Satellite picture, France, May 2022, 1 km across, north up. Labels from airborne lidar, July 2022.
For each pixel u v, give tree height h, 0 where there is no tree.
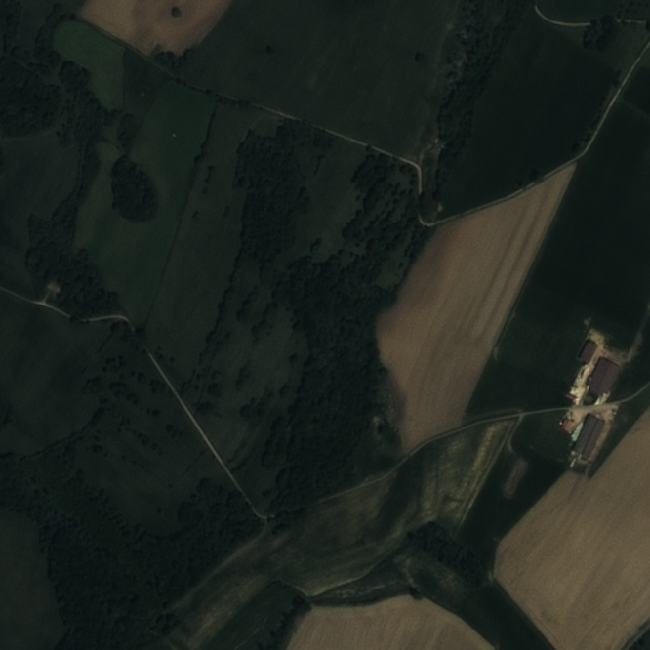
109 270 0
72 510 6
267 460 14
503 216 0
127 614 21
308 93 0
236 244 0
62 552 26
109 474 0
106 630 20
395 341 0
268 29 0
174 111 0
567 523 0
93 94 12
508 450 0
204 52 0
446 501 0
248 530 12
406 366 0
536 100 0
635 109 0
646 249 0
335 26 0
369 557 0
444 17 0
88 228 0
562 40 0
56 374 0
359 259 13
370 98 0
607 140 0
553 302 0
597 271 0
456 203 0
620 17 8
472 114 16
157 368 0
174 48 0
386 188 12
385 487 0
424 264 0
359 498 0
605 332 0
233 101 8
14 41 9
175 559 15
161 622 8
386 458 0
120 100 0
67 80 10
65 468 9
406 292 0
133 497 0
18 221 0
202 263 0
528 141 0
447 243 0
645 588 0
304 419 17
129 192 20
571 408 0
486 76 20
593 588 0
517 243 0
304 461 22
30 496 17
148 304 0
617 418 0
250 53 0
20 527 0
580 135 0
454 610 0
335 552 0
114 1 0
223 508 16
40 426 0
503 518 0
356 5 0
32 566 0
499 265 0
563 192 0
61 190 0
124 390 12
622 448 0
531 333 0
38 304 0
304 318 17
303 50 0
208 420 0
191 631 0
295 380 0
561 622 0
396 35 0
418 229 14
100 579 26
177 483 0
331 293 18
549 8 0
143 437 10
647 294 0
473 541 0
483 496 0
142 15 0
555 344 0
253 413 18
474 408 0
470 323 0
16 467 13
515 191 0
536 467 0
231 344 0
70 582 25
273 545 0
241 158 7
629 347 0
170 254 0
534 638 0
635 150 0
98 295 9
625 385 0
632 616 0
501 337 0
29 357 0
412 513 0
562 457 0
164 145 0
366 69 0
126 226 0
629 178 0
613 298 0
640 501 0
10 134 7
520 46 0
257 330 11
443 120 12
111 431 0
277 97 0
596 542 0
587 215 0
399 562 0
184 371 0
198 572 14
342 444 14
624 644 0
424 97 0
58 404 0
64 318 0
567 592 0
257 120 0
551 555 0
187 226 0
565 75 0
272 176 24
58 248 14
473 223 0
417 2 0
